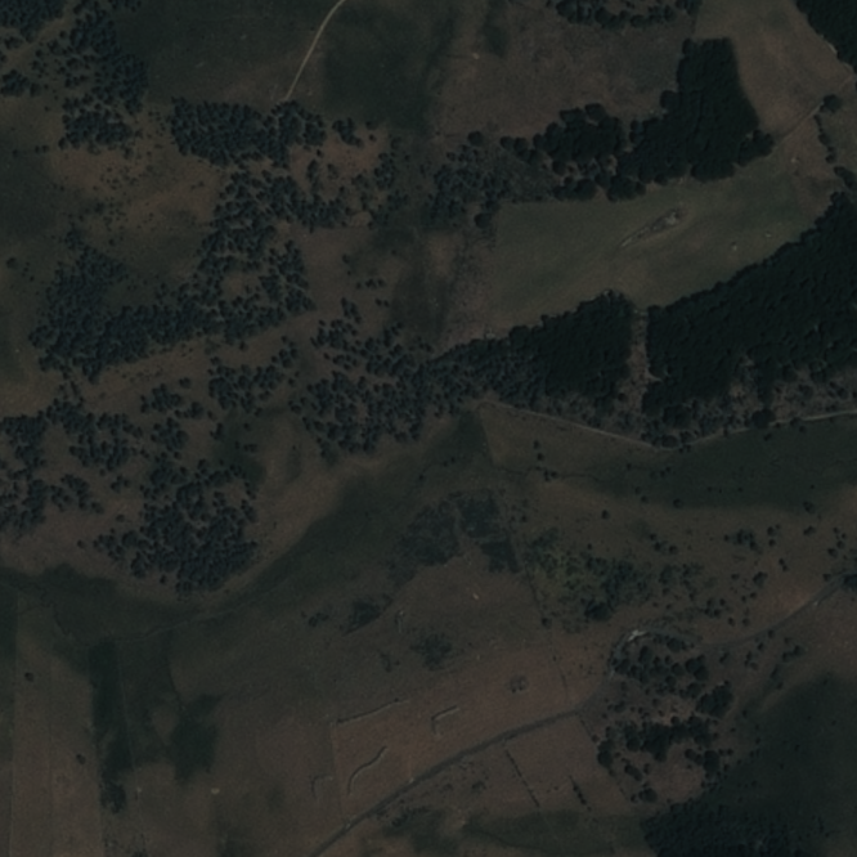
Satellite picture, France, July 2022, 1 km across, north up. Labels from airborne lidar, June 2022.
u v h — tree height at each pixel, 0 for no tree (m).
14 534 0
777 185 0
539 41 0
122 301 0
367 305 0
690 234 0
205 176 0
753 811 0
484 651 0
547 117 0
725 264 0
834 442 0
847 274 17
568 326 14
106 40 9
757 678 0
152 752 0
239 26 0
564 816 0
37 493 14
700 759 11
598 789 0
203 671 0
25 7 15
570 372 19
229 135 16
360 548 0
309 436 0
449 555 0
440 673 0
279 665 0
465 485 0
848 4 14
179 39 0
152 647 0
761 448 0
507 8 0
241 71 0
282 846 0
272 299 11
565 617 0
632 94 0
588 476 0
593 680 0
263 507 0
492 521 0
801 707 0
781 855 20
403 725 0
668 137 18
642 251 0
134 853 0
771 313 17
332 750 0
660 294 0
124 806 0
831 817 0
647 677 8
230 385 10
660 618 0
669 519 0
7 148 0
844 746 0
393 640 0
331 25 0
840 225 21
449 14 0
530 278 0
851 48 11
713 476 0
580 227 0
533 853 0
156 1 0
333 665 0
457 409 14
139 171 0
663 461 0
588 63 0
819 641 0
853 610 0
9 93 13
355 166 0
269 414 0
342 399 15
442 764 0
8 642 0
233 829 0
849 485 0
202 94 0
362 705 0
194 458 0
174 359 0
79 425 14
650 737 11
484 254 0
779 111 0
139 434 14
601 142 19
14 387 0
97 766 0
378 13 0
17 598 0
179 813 0
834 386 18
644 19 12
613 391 14
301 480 0
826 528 0
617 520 0
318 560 0
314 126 14
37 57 9
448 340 0
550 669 0
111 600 0
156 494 11
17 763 0
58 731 0
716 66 15
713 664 0
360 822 0
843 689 0
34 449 12
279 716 0
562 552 0
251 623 0
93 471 0
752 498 0
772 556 0
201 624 0
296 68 0
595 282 0
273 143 20
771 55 0
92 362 13
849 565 0
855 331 19
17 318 0
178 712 0
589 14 7
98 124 15
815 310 20
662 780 0
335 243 0
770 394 21
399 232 0
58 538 0
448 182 14
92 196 0
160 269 0
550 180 0
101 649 0
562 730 0
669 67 0
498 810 0
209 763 0
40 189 0
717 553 0
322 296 0
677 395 19
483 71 0
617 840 0
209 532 13
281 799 0
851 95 0
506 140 15
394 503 0
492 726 0
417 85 0
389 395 16
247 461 0
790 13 0
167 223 0
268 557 0
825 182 0
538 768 0
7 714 0
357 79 0
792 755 0
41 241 0
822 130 9
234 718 0
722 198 0
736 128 15
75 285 11
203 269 12
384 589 0
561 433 0
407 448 0
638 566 0
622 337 18
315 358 0
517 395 13
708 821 11
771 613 0
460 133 0
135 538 11
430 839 0
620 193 19
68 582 0
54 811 0
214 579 10
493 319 0
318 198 13
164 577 8
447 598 0
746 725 0
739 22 0
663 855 16
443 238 0
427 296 0
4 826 0
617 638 0
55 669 0
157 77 0
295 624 0
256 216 17
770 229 0
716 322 21
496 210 16
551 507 0
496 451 0
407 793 0
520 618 0
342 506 0
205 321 11
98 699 0
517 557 0
